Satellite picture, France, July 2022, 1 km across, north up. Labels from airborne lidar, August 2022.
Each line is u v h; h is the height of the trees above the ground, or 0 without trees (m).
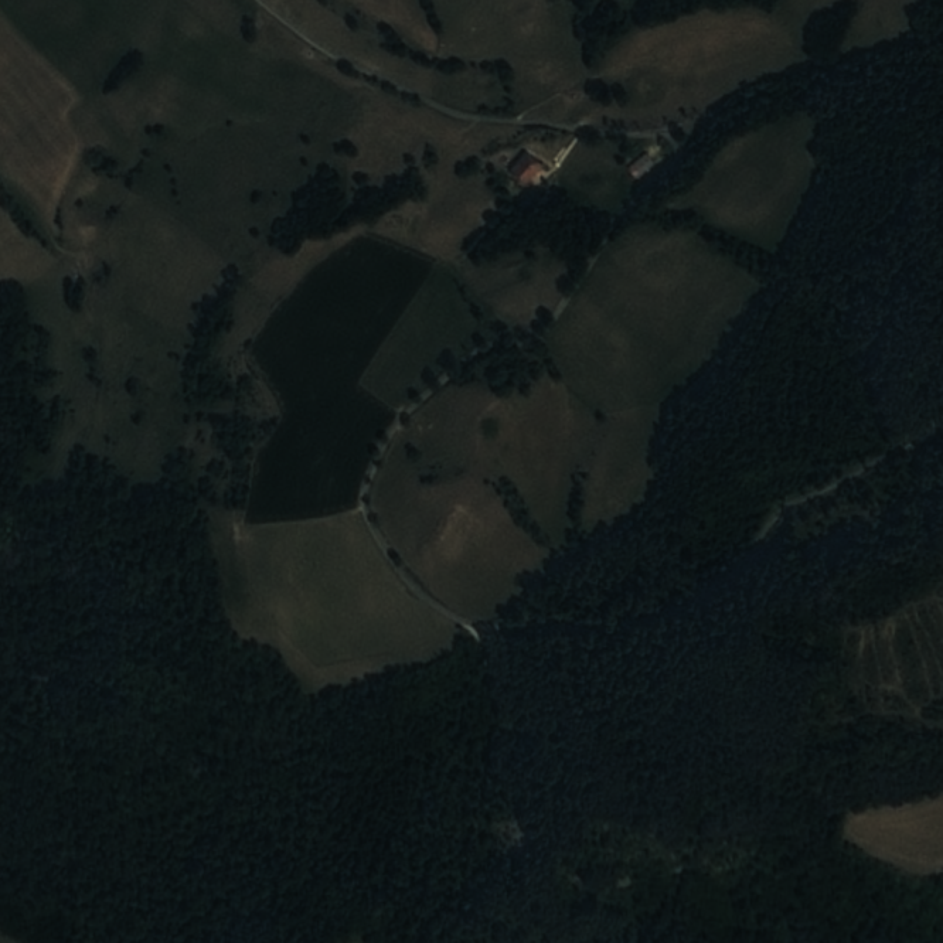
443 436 0
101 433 0
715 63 0
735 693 22
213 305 19
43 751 19
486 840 17
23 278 0
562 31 0
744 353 22
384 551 0
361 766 12
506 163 0
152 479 0
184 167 0
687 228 8
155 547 26
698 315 0
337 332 0
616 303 0
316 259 0
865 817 0
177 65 0
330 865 18
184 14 0
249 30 17
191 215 0
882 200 25
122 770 18
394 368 0
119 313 0
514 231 24
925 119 14
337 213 14
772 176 0
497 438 0
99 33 0
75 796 15
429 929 32
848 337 9
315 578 0
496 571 0
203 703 17
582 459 0
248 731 22
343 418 0
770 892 20
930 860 0
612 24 19
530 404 0
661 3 20
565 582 34
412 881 25
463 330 0
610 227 13
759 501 8
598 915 27
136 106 0
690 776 21
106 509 18
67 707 29
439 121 0
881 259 35
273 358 0
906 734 6
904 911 15
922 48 28
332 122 0
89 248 0
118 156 0
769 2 12
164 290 0
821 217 26
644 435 0
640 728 30
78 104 0
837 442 9
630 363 0
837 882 20
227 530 0
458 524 0
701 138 16
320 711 19
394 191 15
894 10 0
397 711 12
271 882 17
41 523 24
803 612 15
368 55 0
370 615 0
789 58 0
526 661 34
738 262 11
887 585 12
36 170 0
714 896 18
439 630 0
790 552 27
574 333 0
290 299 0
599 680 37
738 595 36
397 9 0
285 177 0
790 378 11
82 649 27
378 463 16
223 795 16
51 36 0
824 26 14
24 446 12
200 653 10
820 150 21
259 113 0
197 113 0
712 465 11
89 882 20
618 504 0
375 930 17
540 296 0
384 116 0
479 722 13
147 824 23
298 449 0
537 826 30
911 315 32
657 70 0
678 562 20
